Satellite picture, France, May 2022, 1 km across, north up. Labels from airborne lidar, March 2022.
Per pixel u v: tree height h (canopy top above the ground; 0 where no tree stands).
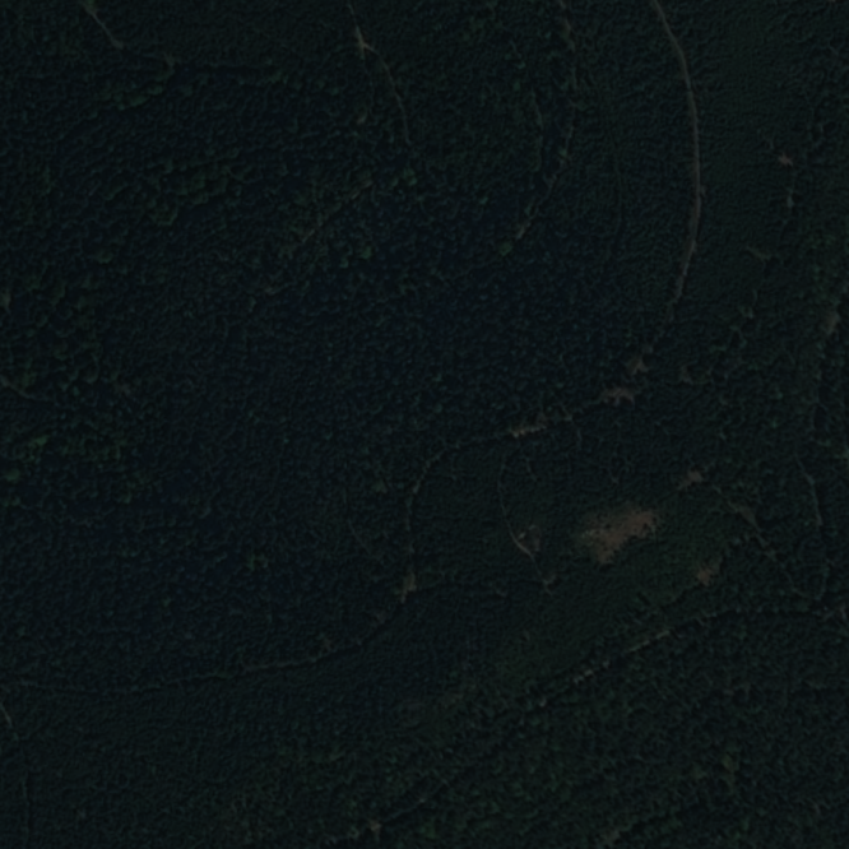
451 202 33
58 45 18
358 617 19
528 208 18
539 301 15
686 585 9
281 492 27
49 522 10
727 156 6
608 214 11
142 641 17
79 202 35
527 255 32
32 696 12
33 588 21
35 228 32
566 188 6
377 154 16
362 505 9
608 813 21
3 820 11
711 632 8
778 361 24
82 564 23
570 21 22
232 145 28
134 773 13
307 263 13
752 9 6
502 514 13
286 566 35
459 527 10
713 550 8
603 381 9
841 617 23
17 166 24
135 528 26
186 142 31
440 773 30
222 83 31
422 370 30
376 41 13
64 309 34
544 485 9
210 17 17
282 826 25
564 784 24
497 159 14
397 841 22
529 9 8
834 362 14
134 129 32
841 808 28
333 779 13
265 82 30
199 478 35
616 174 14
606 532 0
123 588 25
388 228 25
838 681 23
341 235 9
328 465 28
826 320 19
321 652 16
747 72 7
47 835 16
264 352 24
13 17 31
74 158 32
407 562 24
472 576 16
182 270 25
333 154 29
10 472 32
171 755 14
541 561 10
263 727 10
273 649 16
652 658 11
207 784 10
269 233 21
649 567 7
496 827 24
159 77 24
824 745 6
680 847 24
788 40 7
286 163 9
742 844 32
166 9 25
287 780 13
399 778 20
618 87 8
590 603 13
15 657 10
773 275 18
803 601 15
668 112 16
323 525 7
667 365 13
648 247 10
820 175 18
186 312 13
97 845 14
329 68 22
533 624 10
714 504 13
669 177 13
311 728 9
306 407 22
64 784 16
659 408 13
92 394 34
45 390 28
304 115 27
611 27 13
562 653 10
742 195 13
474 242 33
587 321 27
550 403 9
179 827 10
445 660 16
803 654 27
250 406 31
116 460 25
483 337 32
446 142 16
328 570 9
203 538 12
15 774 25
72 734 15
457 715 10
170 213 20
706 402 15
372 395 25
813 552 19
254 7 24
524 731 31
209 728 14
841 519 20
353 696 10
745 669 22
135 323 24
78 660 9
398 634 11
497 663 14
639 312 10
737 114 6
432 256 39
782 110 9
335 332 26
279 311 27
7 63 28
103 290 31
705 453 19
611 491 9
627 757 24
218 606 8
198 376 28
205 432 29
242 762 9
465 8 11
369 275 37
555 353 9
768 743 20
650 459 15
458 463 13
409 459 25
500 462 11
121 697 16
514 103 13
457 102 12
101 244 28
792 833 25
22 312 33
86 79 25
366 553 21
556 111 26
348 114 31
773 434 22
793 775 20
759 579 32
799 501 20
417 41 17
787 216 17
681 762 28
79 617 25
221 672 16
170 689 14
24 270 27
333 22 21
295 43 20
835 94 14
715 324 14
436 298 7
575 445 16
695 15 9
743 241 12
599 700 18
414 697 17
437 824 24
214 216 25
